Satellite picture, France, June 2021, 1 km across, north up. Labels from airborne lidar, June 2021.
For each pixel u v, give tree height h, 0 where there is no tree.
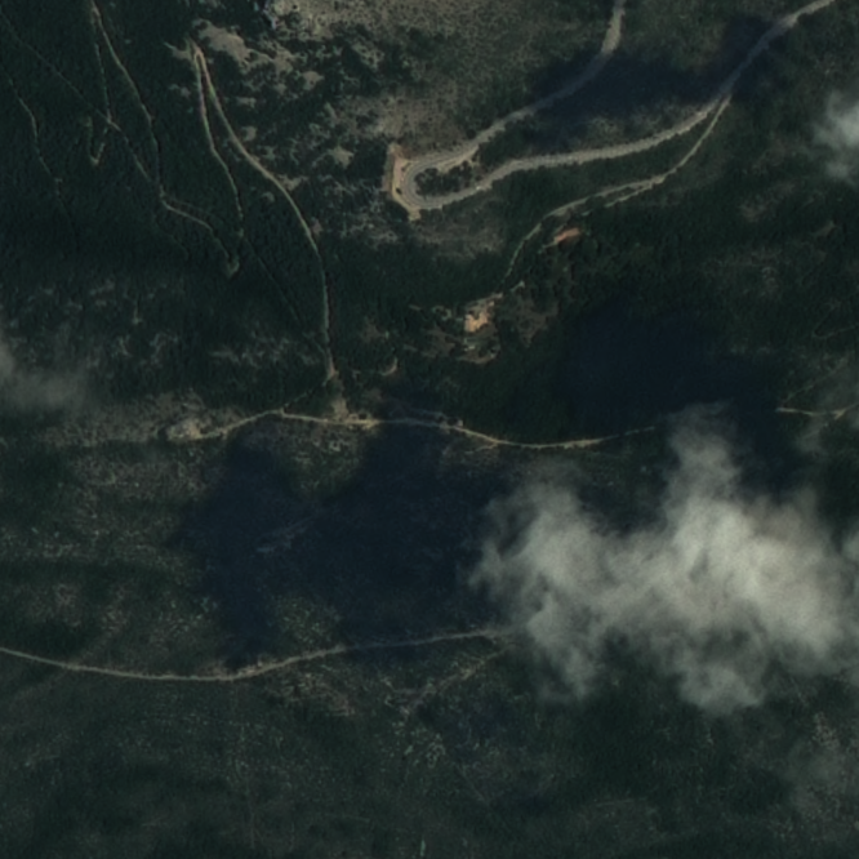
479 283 9
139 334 7
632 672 6
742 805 10
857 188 8
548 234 11
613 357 9
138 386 9
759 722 9
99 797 5
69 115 11
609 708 9
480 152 6
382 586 6
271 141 6
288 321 8
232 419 0
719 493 12
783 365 7
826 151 6
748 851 6
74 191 8
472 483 6
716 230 6
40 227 16
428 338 7
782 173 7
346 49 7
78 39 9
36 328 7
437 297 9
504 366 7
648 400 9
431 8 0
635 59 0
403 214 6
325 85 6
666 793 7
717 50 0
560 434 6
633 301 13
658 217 13
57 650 8
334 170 6
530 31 0
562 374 8
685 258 10
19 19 10
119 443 5
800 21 8
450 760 5
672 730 6
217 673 0
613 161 6
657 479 6
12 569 6
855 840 7
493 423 9
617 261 13
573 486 7
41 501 7
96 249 13
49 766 6
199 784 7
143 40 6
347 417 0
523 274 13
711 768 7
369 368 10
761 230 10
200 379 7
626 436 9
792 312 8
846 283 8
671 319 8
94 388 9
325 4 0
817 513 14
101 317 7
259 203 9
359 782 10
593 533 8
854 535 15
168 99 6
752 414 9
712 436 12
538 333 6
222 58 6
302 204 7
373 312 7
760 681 8
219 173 11
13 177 12
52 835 8
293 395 6
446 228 0
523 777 7
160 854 6
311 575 42
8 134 11
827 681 6
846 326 9
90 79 11
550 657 7
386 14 0
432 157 0
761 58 6
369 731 6
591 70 0
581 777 6
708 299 9
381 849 9
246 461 6
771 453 12
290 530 0
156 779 6
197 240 13
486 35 0
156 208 10
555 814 8
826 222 12
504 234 6
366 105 0
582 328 10
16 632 5
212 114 6
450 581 5
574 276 10
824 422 8
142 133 12
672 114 0
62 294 8
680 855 9
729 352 8
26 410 9
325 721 7
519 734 6
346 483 7
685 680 10
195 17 7
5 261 14
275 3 0
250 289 14
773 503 15
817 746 7
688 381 14
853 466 8
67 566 6
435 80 0
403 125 0
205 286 7
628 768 9
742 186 8
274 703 9
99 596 6
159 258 15
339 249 8
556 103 6
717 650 7
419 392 9
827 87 8
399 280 7
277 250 15
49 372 6
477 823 7
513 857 32
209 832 6
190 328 10
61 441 0
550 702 7
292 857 7
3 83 11
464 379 8
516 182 6
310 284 8
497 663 6
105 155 8
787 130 7
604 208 7
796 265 7
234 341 9
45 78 9
